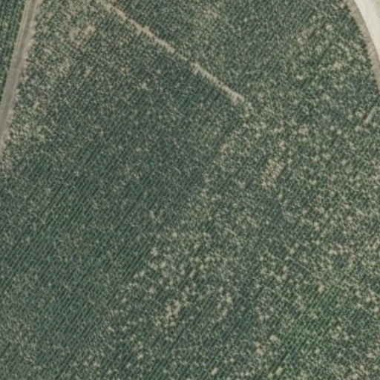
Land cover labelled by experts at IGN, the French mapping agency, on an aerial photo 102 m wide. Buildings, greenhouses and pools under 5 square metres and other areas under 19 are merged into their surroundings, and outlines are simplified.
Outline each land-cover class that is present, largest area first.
<instances>
[{"label":"vineyard","instance_id":"1","mask_svg":"<svg viewBox=\"0 0 380 380\"><path fill-rule=\"evenodd\" d=\"M359 0H0V380H380V58L359 10Z\"/></svg>","mask_w":380,"mask_h":380},{"label":"pervious surface","instance_id":"2","mask_svg":"<svg viewBox=\"0 0 380 380\"><path fill-rule=\"evenodd\" d=\"M359 10L380 58V0H359Z\"/></svg>","mask_w":380,"mask_h":380}]
</instances>
